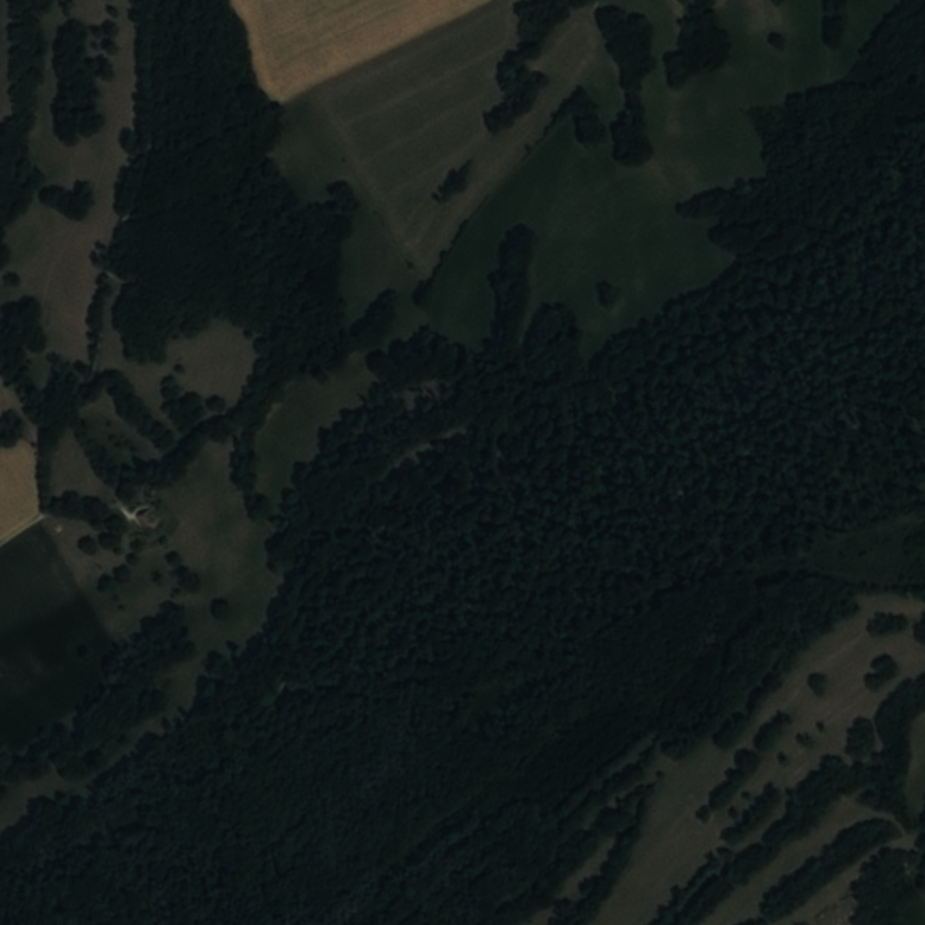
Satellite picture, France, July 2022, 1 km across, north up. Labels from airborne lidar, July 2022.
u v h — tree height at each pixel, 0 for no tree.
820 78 0
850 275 21
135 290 14
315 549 28
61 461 0
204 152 23
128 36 0
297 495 15
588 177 0
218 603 12
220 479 0
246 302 12
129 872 25
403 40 0
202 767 11
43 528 0
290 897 19
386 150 0
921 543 8
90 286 0
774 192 20
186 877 23
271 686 26
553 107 0
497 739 22
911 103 7
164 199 9
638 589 28
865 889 15
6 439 19
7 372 17
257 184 25
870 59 10
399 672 26
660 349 12
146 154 10
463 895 17
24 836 21
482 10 0
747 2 0
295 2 0
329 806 18
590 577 18
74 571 0
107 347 0
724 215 16
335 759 19
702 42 19
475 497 18
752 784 0
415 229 0
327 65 0
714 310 20
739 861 17
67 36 21
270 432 0
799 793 14
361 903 19
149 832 22
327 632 13
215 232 13
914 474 27
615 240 0
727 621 24
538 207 0
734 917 0
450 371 21
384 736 22
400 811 22
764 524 24
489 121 18
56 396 24
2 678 0
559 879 19
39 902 21
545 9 20
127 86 0
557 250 0
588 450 33
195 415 14
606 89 0
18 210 23
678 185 0
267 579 0
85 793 0
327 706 28
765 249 23
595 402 28
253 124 24
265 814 12
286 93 0
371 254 0
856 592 14
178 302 11
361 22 0
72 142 21
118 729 14
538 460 28
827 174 18
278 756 19
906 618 10
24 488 0
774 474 18
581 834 16
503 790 8
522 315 22
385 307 23
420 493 22
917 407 22
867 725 14
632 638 27
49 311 0
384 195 0
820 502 28
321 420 0
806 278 24
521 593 18
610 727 14
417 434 24
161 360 8
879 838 16
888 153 25
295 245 20
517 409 23
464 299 0
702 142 0
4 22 0
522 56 12
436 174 0
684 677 13
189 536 0
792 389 22
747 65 0
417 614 22
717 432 19
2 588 0
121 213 15
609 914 0
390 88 0
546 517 8
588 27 0
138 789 21
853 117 22
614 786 17
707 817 15
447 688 25
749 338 33
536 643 23
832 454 31
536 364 26
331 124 0
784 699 0
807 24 0
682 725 6
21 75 22
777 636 19
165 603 0
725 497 26
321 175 0
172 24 15
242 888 11
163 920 21
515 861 22
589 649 24
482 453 11
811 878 18
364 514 19
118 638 0
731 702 17
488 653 21
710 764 0
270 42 0
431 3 0
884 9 0
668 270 0
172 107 17
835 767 19
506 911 15
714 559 21
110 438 9
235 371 0
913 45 17
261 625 0
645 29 17
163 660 24
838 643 0
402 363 28
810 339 28
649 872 0
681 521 28
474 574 21
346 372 0
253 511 19
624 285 0
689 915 19
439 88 0
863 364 22
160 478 19
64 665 0
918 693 15
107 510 14
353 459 18
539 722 22
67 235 0
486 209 0
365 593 20
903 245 25
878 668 14
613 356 21
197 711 15
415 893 15
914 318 19
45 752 21
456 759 23
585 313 0
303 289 23
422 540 21
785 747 0
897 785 19
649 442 28
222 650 0
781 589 22
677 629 23
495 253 0
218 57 16
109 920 24
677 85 19
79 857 23
